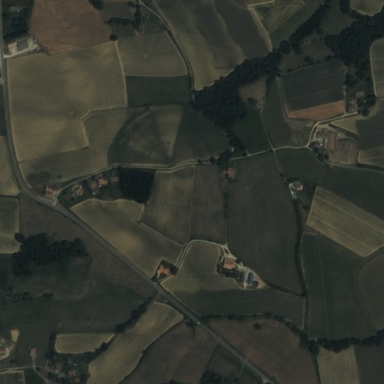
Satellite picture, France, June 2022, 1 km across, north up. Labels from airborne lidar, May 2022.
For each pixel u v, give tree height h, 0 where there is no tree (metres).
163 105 0
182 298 0
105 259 0
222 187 0
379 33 18
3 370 0
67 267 0
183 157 0
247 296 0
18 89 0
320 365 0
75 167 0
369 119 0
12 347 0
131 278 0
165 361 0
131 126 0
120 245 0
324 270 0
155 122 0
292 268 0
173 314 0
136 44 0
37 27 0
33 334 0
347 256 0
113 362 0
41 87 0
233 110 17
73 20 0
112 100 0
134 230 0
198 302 0
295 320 0
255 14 0
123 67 0
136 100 0
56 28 0
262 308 0
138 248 0
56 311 0
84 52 0
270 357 0
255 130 0
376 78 0
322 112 0
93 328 0
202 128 0
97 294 0
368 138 0
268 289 0
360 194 0
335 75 0
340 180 0
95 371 0
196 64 0
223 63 0
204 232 0
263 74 6
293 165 0
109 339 0
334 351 20
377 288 0
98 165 0
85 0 0
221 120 15
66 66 0
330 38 21
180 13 0
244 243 0
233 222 0
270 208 0
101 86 0
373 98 16
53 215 0
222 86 17
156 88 0
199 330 0
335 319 0
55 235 0
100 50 0
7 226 0
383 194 0
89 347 0
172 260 0
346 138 0
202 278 0
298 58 0
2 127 0
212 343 0
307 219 0
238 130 0
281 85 0
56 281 0
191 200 0
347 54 22
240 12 0
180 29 0
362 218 0
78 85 0
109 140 0
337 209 0
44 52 0
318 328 0
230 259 0
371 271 0
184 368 0
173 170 0
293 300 0
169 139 0
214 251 0
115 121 0
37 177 0
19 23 17
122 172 13
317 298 0
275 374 0
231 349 0
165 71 0
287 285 0
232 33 0
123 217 0
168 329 0
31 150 0
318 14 21
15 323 0
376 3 0
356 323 0
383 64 0
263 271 0
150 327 0
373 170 0
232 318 11
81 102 0
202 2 0
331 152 0
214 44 0
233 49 0
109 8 0
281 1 0
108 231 0
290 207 0
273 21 0
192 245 0
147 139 0
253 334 0
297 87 0
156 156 0
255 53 0
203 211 0
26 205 0
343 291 0
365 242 0
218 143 0
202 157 0
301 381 0
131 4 14
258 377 0
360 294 0
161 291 0
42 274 0
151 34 0
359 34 24
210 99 16
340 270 0
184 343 0
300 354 0
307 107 0
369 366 0
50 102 0
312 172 0
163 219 0
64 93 0
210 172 0
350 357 0
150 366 0
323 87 0
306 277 0
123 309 0
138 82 0
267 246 0
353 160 0
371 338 13
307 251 0
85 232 0
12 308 0
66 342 0
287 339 0
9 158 0
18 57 0
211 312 0
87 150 0
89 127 0
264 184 0
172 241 0
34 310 0
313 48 0
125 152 0
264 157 0
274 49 7
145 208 0
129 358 0
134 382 0
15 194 0
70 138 0
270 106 0
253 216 0
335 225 0
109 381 0
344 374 0
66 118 0
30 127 0
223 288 0
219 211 0
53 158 0
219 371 0
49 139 0
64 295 0
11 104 0
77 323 0
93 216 0
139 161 0
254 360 0
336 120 0
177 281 0
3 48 0
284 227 0
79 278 0
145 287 0
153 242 0
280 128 0
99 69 0
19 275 7
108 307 0
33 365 0
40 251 22
